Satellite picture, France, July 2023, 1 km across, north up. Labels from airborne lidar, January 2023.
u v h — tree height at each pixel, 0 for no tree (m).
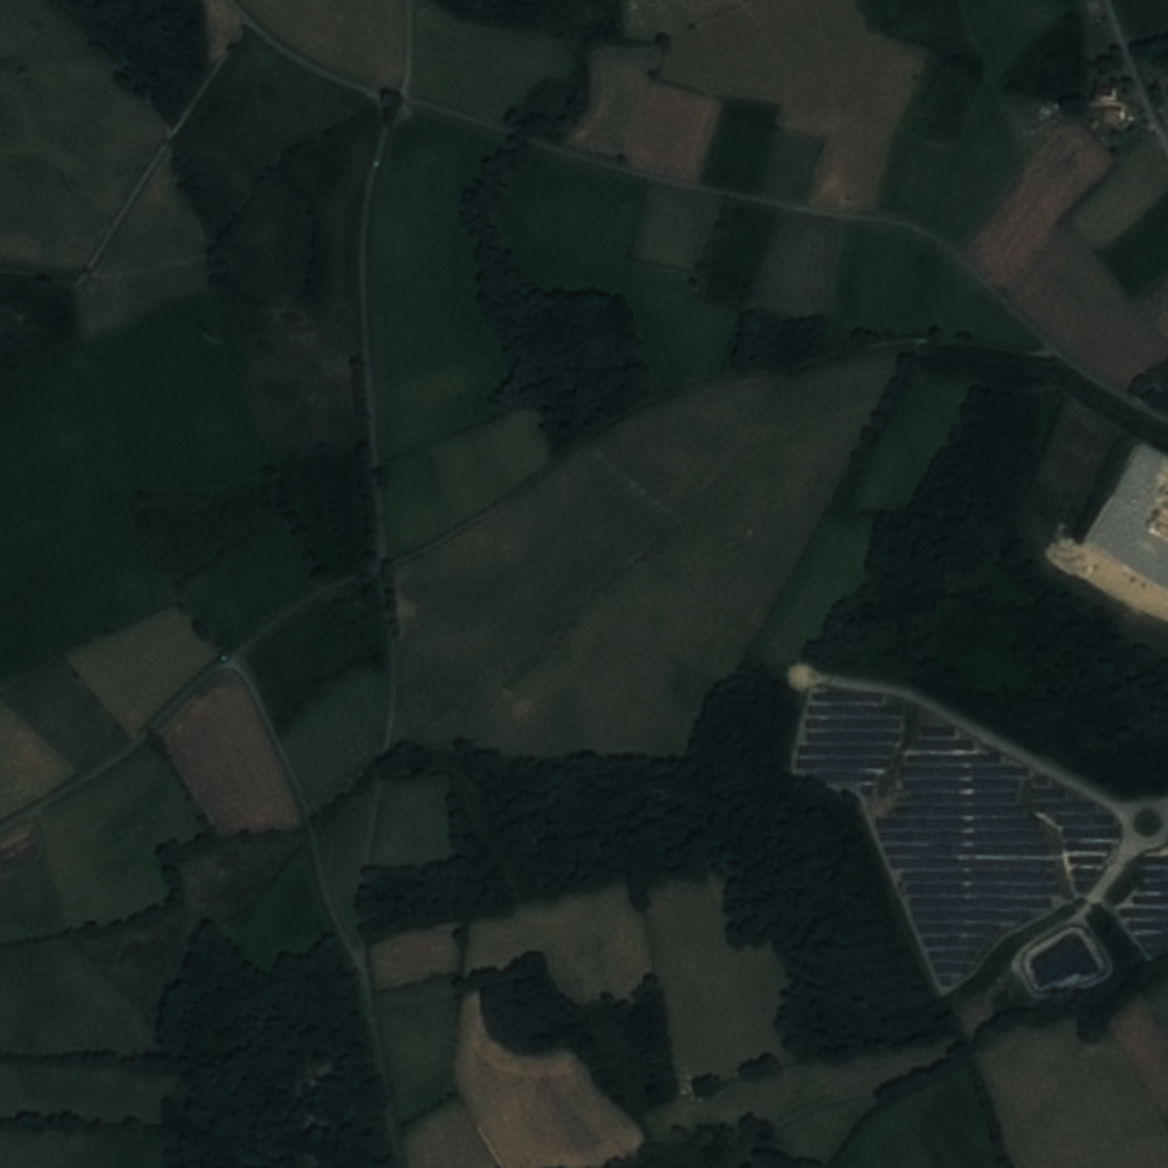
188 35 12
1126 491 0
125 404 0
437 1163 0
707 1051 0
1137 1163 0
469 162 0
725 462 0
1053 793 0
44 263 0
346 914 0
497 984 19
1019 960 0
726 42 0
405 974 0
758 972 0
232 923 0
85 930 9
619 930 0
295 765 0
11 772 0
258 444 0
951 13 0
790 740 16
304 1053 11
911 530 16
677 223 0
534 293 9
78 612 0
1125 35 0
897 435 0
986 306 0
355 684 0
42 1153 0
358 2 0
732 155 0
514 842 14
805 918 20
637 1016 16
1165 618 0
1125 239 0
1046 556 0
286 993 14
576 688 0
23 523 0
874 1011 16
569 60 0
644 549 0
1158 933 0
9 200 0
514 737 0
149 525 0
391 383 0
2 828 0
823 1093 0
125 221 0
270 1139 15
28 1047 0
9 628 0
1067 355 0
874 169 0
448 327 0
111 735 0
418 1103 0
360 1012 8
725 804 19
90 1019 0
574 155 0
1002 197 0
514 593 0
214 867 0
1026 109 0
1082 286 0
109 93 0
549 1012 18
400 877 7
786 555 0
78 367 0
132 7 11
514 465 0
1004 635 0
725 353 0
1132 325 0
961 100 0
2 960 0
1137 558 0
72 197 0
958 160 0
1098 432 0
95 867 0
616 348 24
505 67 0
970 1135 0
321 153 0
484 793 9
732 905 10
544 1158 0
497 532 0
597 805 23
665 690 0
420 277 0
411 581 0
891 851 0
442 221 0
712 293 0
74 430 0
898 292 0
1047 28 0
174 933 0
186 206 0
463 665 0
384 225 0
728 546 0
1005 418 8
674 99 0
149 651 0
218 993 9
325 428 0
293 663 0
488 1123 0
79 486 0
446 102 0
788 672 0
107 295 0
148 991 0
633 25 0
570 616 0
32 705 0
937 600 7
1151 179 0
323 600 0
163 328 0
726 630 0
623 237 0
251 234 0
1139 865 0
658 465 0
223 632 0
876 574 15
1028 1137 0
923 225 0
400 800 0
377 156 0
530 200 0
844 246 0
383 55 0
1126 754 7
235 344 0
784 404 0
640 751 0
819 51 0
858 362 0
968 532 16
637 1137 0
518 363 15
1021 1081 0
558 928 0
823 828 18
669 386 0
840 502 0
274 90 0
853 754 0
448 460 0
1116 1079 0
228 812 0
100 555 0
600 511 0
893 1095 18
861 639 13
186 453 0
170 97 22
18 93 0
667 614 0
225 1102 17
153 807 0
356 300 0
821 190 0
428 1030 0
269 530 0
